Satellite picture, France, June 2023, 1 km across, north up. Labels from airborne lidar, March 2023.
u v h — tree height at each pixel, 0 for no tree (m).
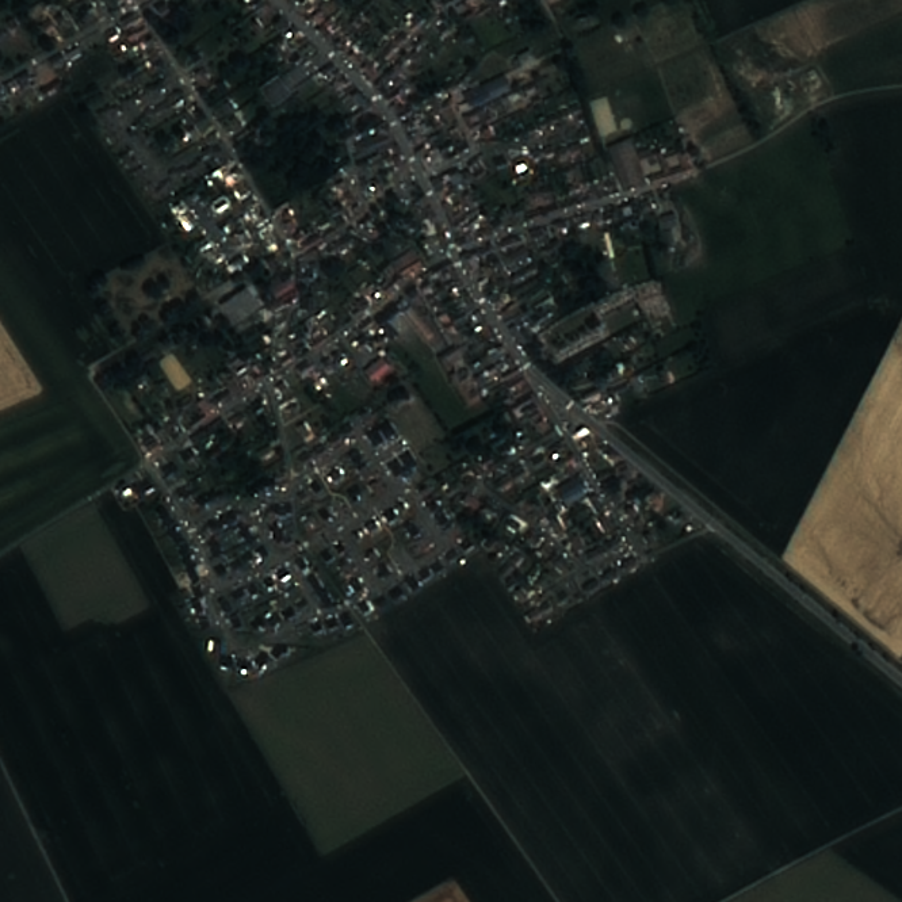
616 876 0
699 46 0
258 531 0
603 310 0
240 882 0
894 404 0
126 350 0
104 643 0
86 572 0
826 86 0
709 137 0
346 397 0
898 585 0
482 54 0
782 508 0
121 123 0
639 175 0
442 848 0
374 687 0
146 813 0
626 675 0
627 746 0
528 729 0
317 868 0
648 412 0
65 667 0
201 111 11
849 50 0
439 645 0
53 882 0
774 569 0
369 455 0
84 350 0
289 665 0
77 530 0
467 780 0
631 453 0
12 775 0
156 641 0
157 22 18
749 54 0
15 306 0
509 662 0
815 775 0
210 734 0
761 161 0
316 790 0
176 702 0
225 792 0
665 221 0
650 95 0
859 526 0
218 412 0
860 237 0
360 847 0
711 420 0
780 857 0
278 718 0
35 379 0
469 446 7
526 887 0
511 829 0
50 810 0
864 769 0
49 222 0
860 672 0
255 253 0
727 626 0
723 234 0
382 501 0
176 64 0
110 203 0
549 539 0
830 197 0
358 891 0
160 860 0
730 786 0
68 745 0
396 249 0
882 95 0
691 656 0
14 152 0
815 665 0
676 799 0
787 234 0
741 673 0
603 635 0
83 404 0
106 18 0
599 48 0
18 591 0
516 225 0
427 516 0
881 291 0
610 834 0
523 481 0
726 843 0
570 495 0
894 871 0
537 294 0
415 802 0
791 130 0
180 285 0
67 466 0
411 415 0
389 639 0
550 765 0
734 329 0
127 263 7
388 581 0
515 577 9
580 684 0
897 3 0
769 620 0
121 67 6
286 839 0
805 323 0
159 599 0
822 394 0
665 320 0
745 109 9
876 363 0
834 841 0
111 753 0
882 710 0
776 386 0
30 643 0
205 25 0
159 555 0
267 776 0
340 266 12
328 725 0
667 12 0
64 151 0
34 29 9
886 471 0
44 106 0
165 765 0
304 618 0
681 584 0
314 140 16
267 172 0
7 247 0
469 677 0
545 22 11
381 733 0
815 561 0
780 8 0
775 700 0
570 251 13
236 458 7
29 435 0
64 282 0
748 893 0
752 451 0
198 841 0
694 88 0
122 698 0
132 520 0
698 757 0
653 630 0
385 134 0
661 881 0
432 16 0
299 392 0
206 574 0
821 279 0
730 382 0
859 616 0
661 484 0
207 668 0
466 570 0
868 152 0
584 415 0
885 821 0
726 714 0
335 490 0
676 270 0
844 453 0
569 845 0
